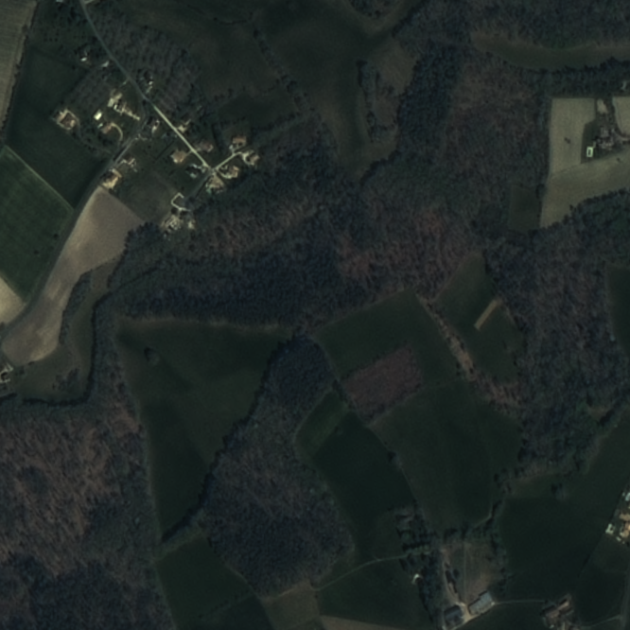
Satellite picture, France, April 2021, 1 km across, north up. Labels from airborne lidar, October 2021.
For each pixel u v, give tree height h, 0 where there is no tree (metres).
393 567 0
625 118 0
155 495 0
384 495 0
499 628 0
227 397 0
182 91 9
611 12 22
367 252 15
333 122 0
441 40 13
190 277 17
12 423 19
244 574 23
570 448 21
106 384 17
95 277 0
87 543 18
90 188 0
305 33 0
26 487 17
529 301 18
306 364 28
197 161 0
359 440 0
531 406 13
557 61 0
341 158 0
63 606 26
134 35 12
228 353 0
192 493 0
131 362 0
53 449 0
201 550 0
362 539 0
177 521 0
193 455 0
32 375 0
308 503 15
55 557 19
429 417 0
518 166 20
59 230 0
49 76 0
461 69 14
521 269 17
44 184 0
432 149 22
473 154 19
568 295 16
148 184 0
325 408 0
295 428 19
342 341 0
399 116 16
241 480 16
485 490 0
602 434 15
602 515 0
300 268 16
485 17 17
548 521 0
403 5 0
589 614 0
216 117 13
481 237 13
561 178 0
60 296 0
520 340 0
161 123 7
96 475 0
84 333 0
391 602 0
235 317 24
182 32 0
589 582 0
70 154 0
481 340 0
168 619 18
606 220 21
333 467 0
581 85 15
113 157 0
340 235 18
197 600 0
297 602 0
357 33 0
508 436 0
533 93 15
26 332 0
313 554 17
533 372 21
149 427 0
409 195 21
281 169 20
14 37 0
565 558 0
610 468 0
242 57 0
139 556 20
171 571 0
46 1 9
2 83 0
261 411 20
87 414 20
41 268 0
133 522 24
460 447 0
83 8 0
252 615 0
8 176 0
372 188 15
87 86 8
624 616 0
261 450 17
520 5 20
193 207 19
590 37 16
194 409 0
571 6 18
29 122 0
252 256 11
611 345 8
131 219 0
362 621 0
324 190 19
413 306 0
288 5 8
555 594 0
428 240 18
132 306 21
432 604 18
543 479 0
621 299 0
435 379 0
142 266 17
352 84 0
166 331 0
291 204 18
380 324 0
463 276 0
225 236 20
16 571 26
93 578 21
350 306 16
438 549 16
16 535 24
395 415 0
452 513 0
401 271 14
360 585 0
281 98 0
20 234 0
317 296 21
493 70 16
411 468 0
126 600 20
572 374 22
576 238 21
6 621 14
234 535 23
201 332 0
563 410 12
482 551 0
